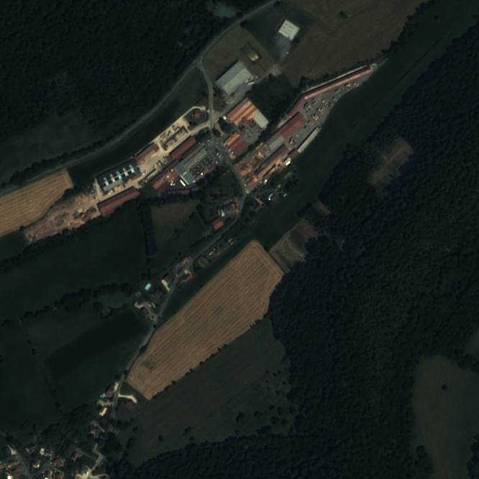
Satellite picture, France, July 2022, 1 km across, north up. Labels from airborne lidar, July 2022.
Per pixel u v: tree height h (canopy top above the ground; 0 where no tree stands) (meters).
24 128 24
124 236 0
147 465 14
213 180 22
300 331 24
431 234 16
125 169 0
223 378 0
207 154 0
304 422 24
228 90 0
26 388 0
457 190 17
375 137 16
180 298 0
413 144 28
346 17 14
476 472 31
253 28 0
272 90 0
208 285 0
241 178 0
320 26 0
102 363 0
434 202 21
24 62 22
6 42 17
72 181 0
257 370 0
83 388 0
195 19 11
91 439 8
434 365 0
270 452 23
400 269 18
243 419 10
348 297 27
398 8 0
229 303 0
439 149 36
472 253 19
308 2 0
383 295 14
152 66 25
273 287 0
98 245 0
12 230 0
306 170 0
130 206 21
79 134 0
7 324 16
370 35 0
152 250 18
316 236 0
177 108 0
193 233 0
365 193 27
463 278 6
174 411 0
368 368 14
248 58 0
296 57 0
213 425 0
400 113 21
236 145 0
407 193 20
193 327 0
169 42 10
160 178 0
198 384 0
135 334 0
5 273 20
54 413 0
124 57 33
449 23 0
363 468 26
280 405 0
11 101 21
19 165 0
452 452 0
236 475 20
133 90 22
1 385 0
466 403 0
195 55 20
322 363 29
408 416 20
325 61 0
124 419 0
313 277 19
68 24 26
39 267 0
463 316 20
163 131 0
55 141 0
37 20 19
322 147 0
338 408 11
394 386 19
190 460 22
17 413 0
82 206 0
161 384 0
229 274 0
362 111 0
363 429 32
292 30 0
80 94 21
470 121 33
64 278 0
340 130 0
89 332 0
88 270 0
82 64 26
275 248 0
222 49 0
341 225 17
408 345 24
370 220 28
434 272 22
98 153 0
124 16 24
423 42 0
